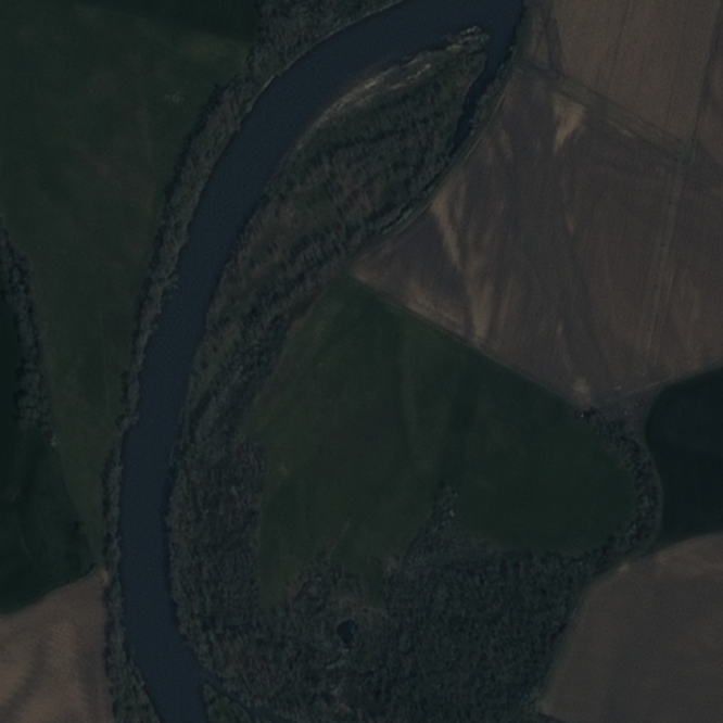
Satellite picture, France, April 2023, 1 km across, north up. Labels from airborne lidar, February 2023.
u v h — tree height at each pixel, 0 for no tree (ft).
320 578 27
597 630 0
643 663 0
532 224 0
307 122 0
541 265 0
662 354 0
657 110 0
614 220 0
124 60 0
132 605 0
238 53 0
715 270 0
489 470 0
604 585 0
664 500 0
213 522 58
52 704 0
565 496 0
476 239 0
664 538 0
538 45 0
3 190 0
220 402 20
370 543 0
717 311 0
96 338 0
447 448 0
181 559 93
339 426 0
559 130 0
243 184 0
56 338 0
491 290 0
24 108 0
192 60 0
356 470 0
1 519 0
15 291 43
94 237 0
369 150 63
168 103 0
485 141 0
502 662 42
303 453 0
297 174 0
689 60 0
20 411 48
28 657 0
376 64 0
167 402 0
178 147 0
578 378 0
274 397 0
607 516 0
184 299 0
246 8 0
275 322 19
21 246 0
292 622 52
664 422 0
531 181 0
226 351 0
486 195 0
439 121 50
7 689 0
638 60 0
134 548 0
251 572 19
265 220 52
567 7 0
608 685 0
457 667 30
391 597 22
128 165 0
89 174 0
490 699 38
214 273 0
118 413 0
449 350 0
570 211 0
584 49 0
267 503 0
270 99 0
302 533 0
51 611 0
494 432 0
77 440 0
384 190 0
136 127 0
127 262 0
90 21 0
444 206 0
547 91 0
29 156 0
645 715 0
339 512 0
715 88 0
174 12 0
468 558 24
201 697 0
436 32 0
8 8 0
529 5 34
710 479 0
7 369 0
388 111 43
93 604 0
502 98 0
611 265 0
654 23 0
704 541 0
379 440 0
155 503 0
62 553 0
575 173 0
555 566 56
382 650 24
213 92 0
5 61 0
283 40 89
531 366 0
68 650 0
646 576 0
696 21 0
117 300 0
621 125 0
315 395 0
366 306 0
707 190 0
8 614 0
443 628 55
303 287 76
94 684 0
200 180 48
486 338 0
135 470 0
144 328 73
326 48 0
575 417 0
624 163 0
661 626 0
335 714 96
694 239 0
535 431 0
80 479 0
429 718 57
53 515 0
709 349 0
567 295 0
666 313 0
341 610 0
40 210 0
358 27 0
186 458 51
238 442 69
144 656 0
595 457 0
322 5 42
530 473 0
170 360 0
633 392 0
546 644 49
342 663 31
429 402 0
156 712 0
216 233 0
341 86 0
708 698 0
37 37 0
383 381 0
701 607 0
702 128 0
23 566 0
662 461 0
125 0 0
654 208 0
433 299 0
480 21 0
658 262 0
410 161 68
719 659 0
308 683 26
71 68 0
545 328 0
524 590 67
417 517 0
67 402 0
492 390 0
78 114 0
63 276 0
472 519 0
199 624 85
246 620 51
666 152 0
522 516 0
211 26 0
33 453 0
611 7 0
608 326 0
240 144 0
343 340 0
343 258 74
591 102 0
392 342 0
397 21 0
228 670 63
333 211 0
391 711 68
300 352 0
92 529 0
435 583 44
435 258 0
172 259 49
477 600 54
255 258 0
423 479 0
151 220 0
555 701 0
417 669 60
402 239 0
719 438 0
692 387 0
